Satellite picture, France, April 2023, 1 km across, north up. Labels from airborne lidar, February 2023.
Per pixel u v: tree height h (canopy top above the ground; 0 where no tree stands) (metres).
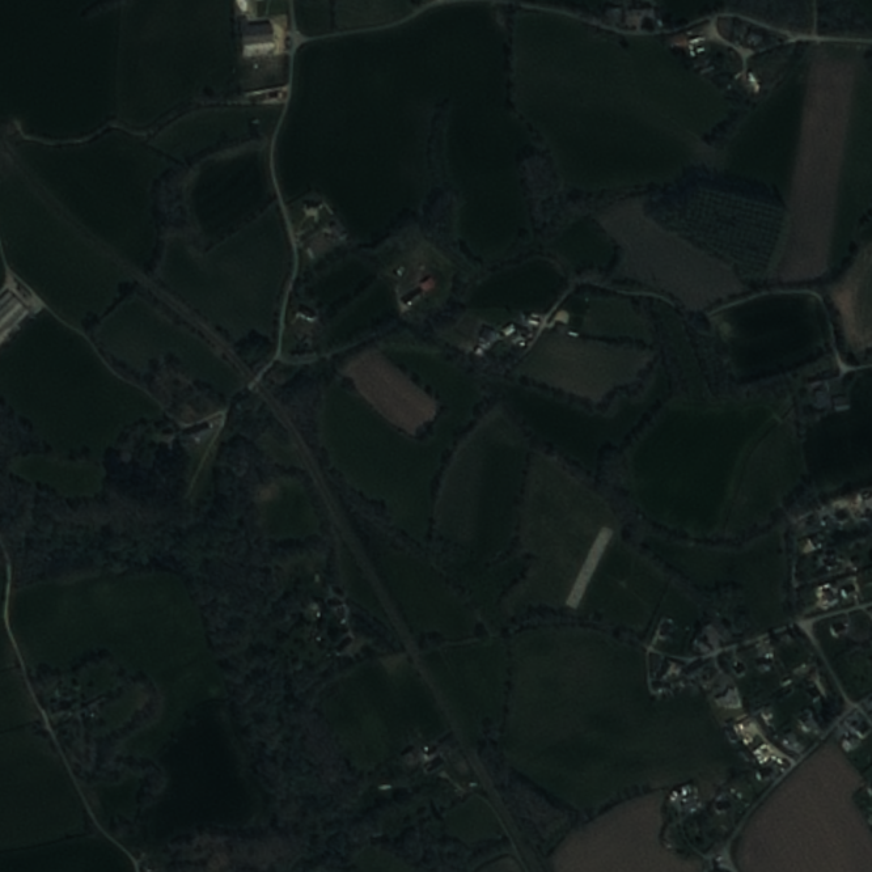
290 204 0
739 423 0
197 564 11
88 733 9
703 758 0
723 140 10
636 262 0
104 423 0
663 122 0
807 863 0
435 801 0
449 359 9
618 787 0
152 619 0
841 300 0
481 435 0
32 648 0
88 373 0
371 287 11
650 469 0
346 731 0
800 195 0
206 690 0
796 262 0
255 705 12
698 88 0
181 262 0
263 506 0
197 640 0
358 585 0
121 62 0
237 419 6
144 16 0
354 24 0
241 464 19
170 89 0
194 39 0
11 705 0
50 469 0
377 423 0
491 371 14
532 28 0
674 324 0
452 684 0
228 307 0
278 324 6
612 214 0
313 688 12
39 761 0
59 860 0
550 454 12
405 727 0
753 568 0
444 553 8
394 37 0
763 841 0
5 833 0
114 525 19
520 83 0
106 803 0
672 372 9
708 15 11
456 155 0
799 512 13
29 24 0
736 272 14
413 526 0
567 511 0
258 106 8
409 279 0
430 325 17
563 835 7
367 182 0
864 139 0
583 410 10
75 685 8
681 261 0
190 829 0
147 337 0
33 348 0
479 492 0
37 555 8
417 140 0
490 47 0
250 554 20
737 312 0
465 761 6
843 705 8
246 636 17
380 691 0
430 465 0
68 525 17
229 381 0
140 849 0
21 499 19
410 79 0
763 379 11
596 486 11
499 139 0
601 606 0
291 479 10
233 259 0
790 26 16
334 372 14
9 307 0
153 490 15
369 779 8
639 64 0
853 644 8
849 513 0
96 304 0
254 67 0
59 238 0
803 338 0
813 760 0
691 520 0
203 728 0
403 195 0
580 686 0
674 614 0
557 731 0
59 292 0
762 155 0
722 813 0
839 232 0
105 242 0
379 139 0
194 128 0
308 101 0
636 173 0
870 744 0
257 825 0
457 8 0
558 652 0
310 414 21
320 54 0
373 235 0
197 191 0
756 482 0
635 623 0
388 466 0
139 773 10
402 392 0
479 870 0
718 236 33
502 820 0
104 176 0
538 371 0
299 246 0
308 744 23
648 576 0
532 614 12
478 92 0
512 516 0
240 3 0
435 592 0
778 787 0
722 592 11
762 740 0
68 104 0
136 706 0
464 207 0
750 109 7
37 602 0
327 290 0
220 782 0
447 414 8
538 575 0
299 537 0
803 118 0
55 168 0
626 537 13
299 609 12
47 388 0
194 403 7
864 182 0
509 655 7
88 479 0
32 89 0
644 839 0
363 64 0
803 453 0
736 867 0
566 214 15
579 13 12
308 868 17
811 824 0
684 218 32
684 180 0
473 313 0
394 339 32
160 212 11
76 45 0
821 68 0
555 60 0
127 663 0
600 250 0
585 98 0
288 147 0
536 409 0
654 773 0
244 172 0
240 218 0
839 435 0
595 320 0
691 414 0
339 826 19
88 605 0
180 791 0
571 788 0
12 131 0
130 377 16
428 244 30
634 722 0
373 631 16
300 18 0
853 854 0
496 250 0
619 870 0
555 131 0
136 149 0
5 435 14
